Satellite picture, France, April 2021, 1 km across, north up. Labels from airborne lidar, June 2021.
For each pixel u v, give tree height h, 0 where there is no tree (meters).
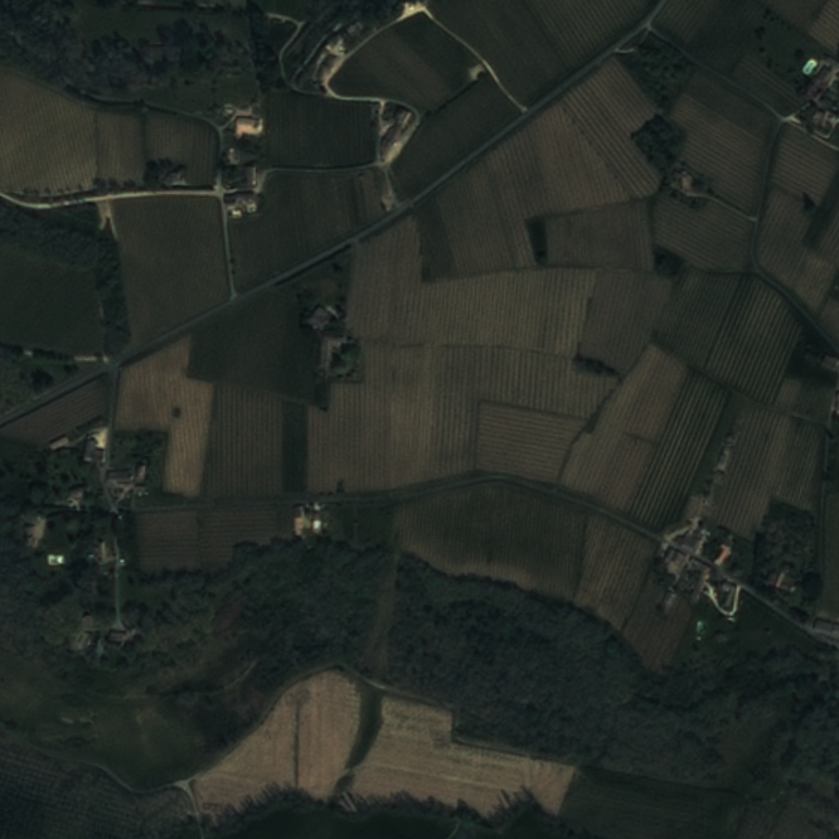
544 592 0
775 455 0
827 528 0
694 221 0
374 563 17
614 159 0
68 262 20
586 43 0
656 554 0
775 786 0
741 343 0
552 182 0
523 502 0
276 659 19
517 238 0
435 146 0
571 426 0
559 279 0
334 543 11
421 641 9
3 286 0
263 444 0
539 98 0
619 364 0
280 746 0
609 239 0
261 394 0
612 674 22
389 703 0
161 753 0
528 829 0
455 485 0
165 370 0
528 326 0
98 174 0
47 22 20
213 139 0
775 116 0
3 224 15
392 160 0
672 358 0
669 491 0
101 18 0
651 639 0
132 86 16
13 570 21
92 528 6
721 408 0
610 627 11
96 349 0
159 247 0
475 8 0
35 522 15
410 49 0
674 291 0
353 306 0
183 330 0
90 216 6
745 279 0
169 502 0
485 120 0
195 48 26
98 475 9
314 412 0
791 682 9
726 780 0
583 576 0
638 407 0
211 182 0
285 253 0
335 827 0
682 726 23
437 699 15
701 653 11
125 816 33
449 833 0
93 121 0
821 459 0
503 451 0
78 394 0
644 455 0
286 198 0
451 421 0
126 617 12
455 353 0
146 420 0
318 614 21
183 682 0
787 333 0
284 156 0
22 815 35
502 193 0
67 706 0
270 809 23
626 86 0
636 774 12
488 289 0
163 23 0
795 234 0
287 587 15
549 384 0
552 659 21
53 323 0
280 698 0
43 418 0
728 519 0
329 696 0
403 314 0
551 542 0
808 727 26
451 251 0
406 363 0
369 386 0
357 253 0
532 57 0
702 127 0
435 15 0
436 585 17
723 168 0
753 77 0
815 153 0
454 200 0
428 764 0
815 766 23
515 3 0
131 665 20
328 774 0
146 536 0
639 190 0
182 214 0
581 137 0
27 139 0
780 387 0
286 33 0
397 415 0
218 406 0
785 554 11
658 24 0
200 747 0
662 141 10
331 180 0
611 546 0
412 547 0
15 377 21
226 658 0
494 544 0
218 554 0
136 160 0
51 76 21
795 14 0
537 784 0
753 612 0
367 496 0
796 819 0
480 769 0
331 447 0
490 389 0
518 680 20
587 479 0
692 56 0
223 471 0
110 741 0
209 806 0
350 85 0
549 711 21
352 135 0
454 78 0
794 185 0
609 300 0
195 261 0
